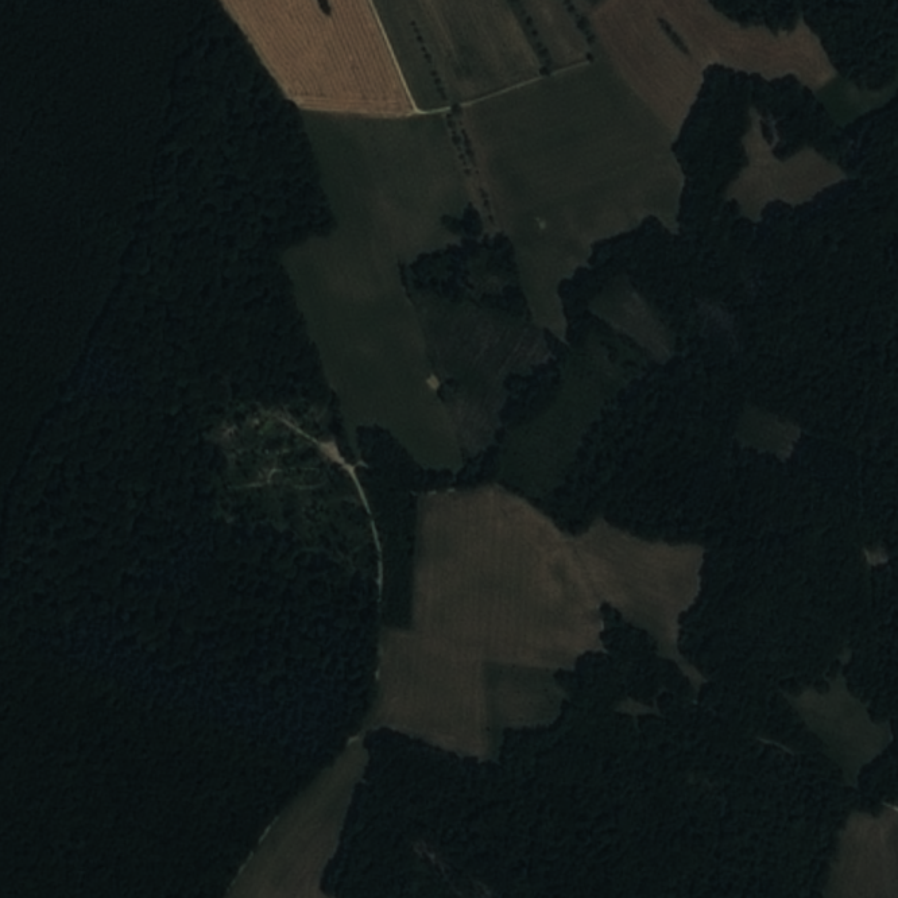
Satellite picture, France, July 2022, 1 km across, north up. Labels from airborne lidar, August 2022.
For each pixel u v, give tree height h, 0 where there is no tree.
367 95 0
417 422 0
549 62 7
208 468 23
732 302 14
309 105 0
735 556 16
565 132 0
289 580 26
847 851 0
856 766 0
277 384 27
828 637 17
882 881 0
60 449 28
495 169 0
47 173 14
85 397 25
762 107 17
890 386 17
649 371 18
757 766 15
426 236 0
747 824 13
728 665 18
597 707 14
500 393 0
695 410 26
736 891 15
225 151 23
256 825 21
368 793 15
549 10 0
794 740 15
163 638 24
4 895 19
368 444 19
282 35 0
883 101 0
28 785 16
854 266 20
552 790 10
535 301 0
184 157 15
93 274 17
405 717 0
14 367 14
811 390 15
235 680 24
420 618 0
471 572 0
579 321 19
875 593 15
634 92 0
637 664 7
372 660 26
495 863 21
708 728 17
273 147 29
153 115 18
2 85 17
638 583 0
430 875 21
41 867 20
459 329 0
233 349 29
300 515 18
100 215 17
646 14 0
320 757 24
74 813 22
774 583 17
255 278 27
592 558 0
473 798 15
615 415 17
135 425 27
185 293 30
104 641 32
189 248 31
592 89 0
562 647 0
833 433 18
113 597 27
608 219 0
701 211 21
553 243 0
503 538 0
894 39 20
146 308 29
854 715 0
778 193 0
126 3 15
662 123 0
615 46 0
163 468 25
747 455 22
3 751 17
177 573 35
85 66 16
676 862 16
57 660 17
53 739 15
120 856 20
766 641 13
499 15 0
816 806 19
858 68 22
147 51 15
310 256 0
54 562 30
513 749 11
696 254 17
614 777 18
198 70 23
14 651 16
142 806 24
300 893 0
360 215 0
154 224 29
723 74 19
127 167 17
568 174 0
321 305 0
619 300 0
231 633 25
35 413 12
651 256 16
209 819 22
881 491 15
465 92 0
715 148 22
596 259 12
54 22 16
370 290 0
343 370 0
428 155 0
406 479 15
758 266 24
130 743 14
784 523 21
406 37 0
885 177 20
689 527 14
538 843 16
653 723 11
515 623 0
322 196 28
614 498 22
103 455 30
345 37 0
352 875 16
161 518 28
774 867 17
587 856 13
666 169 0
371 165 0
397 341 0
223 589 27
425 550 0
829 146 23
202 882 20
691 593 0
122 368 27
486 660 0
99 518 27
